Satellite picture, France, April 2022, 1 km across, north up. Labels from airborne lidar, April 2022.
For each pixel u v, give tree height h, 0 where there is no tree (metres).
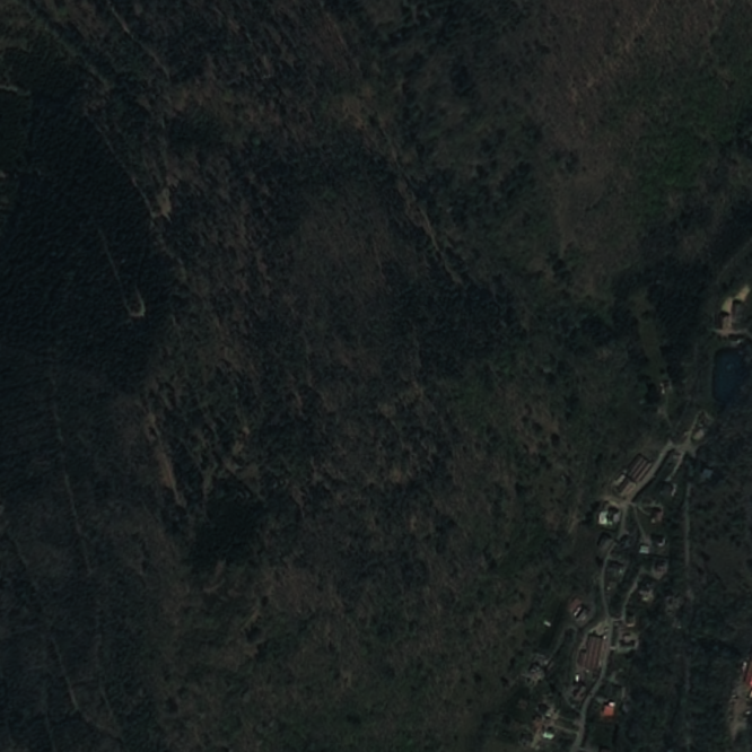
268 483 22
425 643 18
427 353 20
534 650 15
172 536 16
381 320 24
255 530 11
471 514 26
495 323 28
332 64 25
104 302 18
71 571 21
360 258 18
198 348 20
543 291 12
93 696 16
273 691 23
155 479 18
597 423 20
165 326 18
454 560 28
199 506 26
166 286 22
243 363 24
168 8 21
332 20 24
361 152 27
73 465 20
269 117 28
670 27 20
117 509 15
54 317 14
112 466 15
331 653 18
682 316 28
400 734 19
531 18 18
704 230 25
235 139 19
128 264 16
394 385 23
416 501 28
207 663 11
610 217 21
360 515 23
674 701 0
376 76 23
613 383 11
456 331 24
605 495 0
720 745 19
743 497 7
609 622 0
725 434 18
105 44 17
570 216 0
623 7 21
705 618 14
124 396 13
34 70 8
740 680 0
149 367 19
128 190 25
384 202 29
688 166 22
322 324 27
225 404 25
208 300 18
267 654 21
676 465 0
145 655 20
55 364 19
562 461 12
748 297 0
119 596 16
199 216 24
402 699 21
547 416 14
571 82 19
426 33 13
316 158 25
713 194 27
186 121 19
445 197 24
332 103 25
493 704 0
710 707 7
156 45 22
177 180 21
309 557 20
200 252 18
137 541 18
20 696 20
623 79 21
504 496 20
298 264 30
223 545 11
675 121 26
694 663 15
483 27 21
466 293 17
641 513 0
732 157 26
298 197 27
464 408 13
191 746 16
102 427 13
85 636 19
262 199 17
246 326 25
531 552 6
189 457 35
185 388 21
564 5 15
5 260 32
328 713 17
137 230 23
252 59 29
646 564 10
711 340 18
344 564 21
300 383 23
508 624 20
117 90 20
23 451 15
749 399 17
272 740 20
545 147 14
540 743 0
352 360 22
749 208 27
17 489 21
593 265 17
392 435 24
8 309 27
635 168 19
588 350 26
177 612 18
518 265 9
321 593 19
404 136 20
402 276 26
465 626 19
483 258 26
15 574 20
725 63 25
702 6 19
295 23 10
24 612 21
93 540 20
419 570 31
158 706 16
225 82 15
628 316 22
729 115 21
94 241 17
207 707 20
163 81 18
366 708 18
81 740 18
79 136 30
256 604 12
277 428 29
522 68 16
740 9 22
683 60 25
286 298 27
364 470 20
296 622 27
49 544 21
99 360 13
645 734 18
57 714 18
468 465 27
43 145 26
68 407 19
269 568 12
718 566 0
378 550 24
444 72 20
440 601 27
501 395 21
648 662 22
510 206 17
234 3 12
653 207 20
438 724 20
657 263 22
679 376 18
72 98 21
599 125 24
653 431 21
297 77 22
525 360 19
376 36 28
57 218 28
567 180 13
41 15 27
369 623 21
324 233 30
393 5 16
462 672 21
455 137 14
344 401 21
